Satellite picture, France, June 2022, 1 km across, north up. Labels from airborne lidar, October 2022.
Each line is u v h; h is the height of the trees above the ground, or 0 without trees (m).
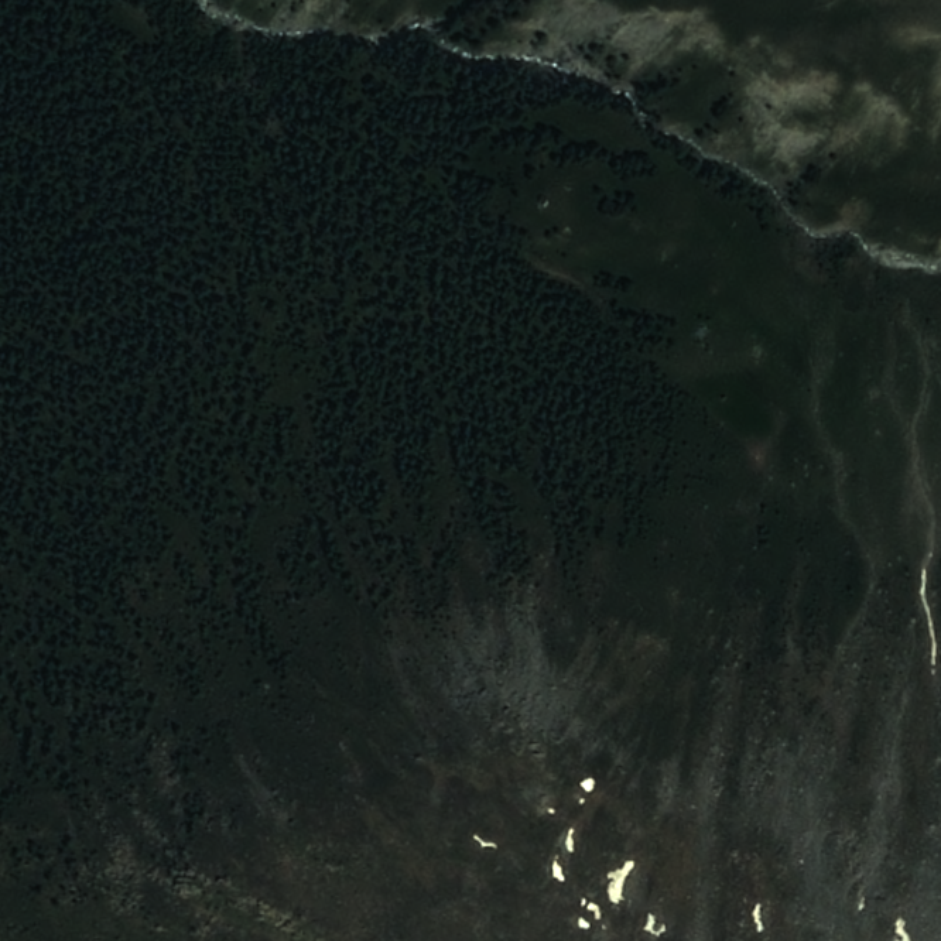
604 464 7
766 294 0
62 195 6
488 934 0
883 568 0
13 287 20
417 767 0
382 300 12
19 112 19
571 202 0
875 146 0
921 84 0
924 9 0
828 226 0
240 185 15
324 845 0
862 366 0
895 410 0
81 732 18
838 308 0
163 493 15
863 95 0
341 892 0
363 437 17
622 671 0
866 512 0
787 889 0
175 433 14
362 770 0
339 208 12
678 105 0
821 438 0
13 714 9
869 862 0
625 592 0
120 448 14
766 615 0
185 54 14
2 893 0
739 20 0
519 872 0
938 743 0
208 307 22
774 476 0
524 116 26
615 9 0
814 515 0
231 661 0
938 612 0
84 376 20
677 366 0
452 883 0
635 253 0
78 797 7
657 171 23
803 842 0
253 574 13
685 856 0
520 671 0
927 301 0
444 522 0
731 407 0
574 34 0
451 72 18
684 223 0
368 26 0
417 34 6
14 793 8
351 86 11
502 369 16
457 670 0
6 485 10
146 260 10
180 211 16
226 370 16
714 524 0
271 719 0
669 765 0
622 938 0
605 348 15
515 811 0
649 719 0
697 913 0
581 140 0
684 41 0
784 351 0
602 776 0
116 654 15
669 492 8
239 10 0
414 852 0
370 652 0
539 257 0
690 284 0
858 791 0
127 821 0
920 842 0
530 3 13
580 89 13
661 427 9
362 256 17
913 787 0
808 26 0
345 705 0
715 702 0
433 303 6
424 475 15
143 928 0
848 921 0
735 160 0
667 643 0
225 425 23
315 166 26
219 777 0
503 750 0
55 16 20
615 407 19
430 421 16
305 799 0
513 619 0
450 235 28
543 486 9
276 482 17
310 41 13
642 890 0
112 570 16
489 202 21
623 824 0
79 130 20
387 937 0
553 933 0
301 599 11
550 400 14
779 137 0
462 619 0
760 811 0
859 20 0
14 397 17
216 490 12
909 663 0
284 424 25
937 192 0
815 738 0
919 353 0
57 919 0
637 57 0
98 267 16
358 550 15
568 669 0
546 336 16
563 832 0
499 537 9
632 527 12
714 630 0
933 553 0
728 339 0
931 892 0
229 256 12
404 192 26
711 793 0
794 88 0
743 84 0
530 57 0
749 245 0
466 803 0
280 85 9
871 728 0
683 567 0
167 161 13
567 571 7
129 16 0
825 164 0
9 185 13
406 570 6
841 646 0
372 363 14
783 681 0
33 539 22
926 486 0
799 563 0
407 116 18
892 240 0
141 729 9
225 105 7
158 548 12
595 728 0
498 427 12
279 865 0
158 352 15
